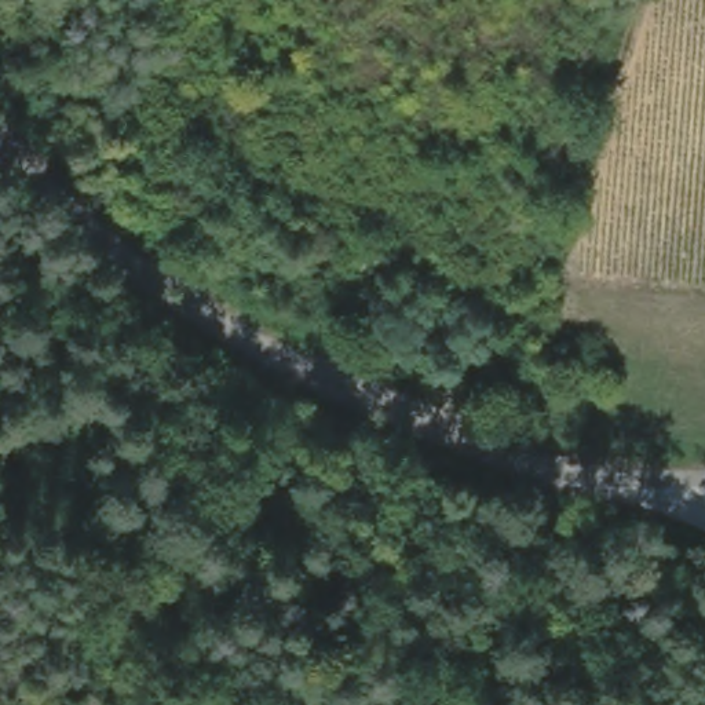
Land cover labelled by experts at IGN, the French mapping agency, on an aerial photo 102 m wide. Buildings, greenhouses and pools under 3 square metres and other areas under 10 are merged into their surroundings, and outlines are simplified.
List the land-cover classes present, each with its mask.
<instances>
[{"label":"coniferous trees","instance_id":"1","mask_svg":"<svg viewBox=\"0 0 705 705\"><path fill-rule=\"evenodd\" d=\"M66 6V14L63 22L55 28V39L61 44L58 74L66 77L72 94H58L55 102L41 113L52 127L47 135V140L52 143H69L85 132L94 135L96 149L69 162L74 185L88 196H102L107 215L127 229L138 212L124 204V193H138L140 182L135 176H121L116 168L138 149L132 140L140 132V121L129 107L140 102V88L149 85L154 74L151 58L160 50L171 47L162 33L165 0H61ZM30 154L22 143H14L6 135V105L0 96V705H476L468 688H460L457 694L446 691L454 675L449 664H438V675L432 677H421L419 672H399L397 661L408 653L405 644L416 639V631L399 628L394 631V636L386 631L375 636L361 633L350 611H355V600H366L369 595H380L383 600H388L399 617L408 611L421 614L430 636H454L457 650H487V636L493 628H498V617L523 609L548 614L554 636L576 633L578 653L584 661L581 666L551 669L545 658L523 655H512L496 664L498 677L509 680L512 705H705V540L677 526L655 523L647 515H636L633 509H625L611 501H595L587 496H554L548 485L532 482L526 476L501 474L485 457H441L430 446L410 438L402 424L394 421L391 413L364 410L355 416H344L325 399L300 402L295 394L275 388L270 380L251 372L245 364L229 361L218 372L215 361H209V355L196 341H190L165 319L151 330H135L132 311L127 300L118 295L127 281V270L113 267L105 259L96 264L94 256H88V237L83 234V226L72 223L74 198L69 187H61L50 171H22V160H28ZM295 435L311 460L303 465L297 460L284 463V468L292 476L289 482L275 487L273 496L262 498L256 520L251 526L223 529V523L231 518L226 512L223 498L234 496V487L245 479L248 471L259 465V457L264 452L275 449L284 441H292ZM325 501L341 520H353V534L330 543L311 523H306L303 515L308 509H319ZM77 556H85V562L94 570H113L118 565L127 573L129 584L171 576L182 587L173 603H162L149 617L140 611L129 617L121 647L110 658L113 669L96 672L94 661L85 658L83 644L66 639V622H77L85 617L74 600L77 576L69 565ZM262 223L267 231L275 234L278 245L284 248L270 273L295 281L297 275H311L319 262H330L333 251L328 248V242H311V231H317L314 220L295 218V212H289L286 220L267 215Z\"/></svg>","mask_w":705,"mask_h":705},{"label":"deciduous trees","instance_id":"2","mask_svg":"<svg viewBox=\"0 0 705 705\"><path fill-rule=\"evenodd\" d=\"M66 14V6L61 0H0V69L8 77V83L25 94L30 113H41L55 102L58 94H72L66 77L58 74L61 44L55 39V28L63 22ZM650 0H165L162 33L171 47L160 50L151 58L154 74L149 85L140 88V102L129 107L140 121V132L132 140L138 149L116 168L121 176H135L140 182L138 193H124V204L138 212L127 229L143 234L146 245L157 253L162 273L179 278L193 289H207L218 295L229 311L253 317L259 322V330L270 333L273 339H306L314 333L325 353L336 361V366L353 375L355 380H388L405 372L419 375L427 386H443V402H452V408L465 413L482 449H501L509 443H532L537 438H545L551 419H567L570 410H576L584 402H592L606 413L625 405L622 391L617 386L620 380H625V358L611 341L609 328L603 322H573L562 317L567 278L565 262L570 248L584 231L592 229L595 168L614 129V91L622 80V61L631 52L642 8ZM289 212H295V218L314 220L317 231H311V242H328V248L333 251L330 262H319L311 275H297L295 281L270 273L284 248L278 245L275 234L267 231L262 223L267 215L286 220ZM297 460L303 465L311 460L295 435L292 441H284L275 449L264 452L259 457V465L248 471L245 479L234 487V496L223 498L226 512L231 518L223 523V529L251 526L256 520L262 498L273 496L275 487L289 482L292 476L284 468V463ZM306 523H311L330 543L353 534V520H341L325 501L319 509H308L303 515ZM69 565L77 576L74 600L85 617L77 622H66V639L83 644L85 658L94 661L96 672L113 669L110 658L121 647L129 617L140 611L149 617L162 603H173L182 587L171 576L129 584L127 573L118 565L113 570H94L85 562V556H77ZM361 633L375 636L386 631L394 636V631L399 628L416 631V639L405 644L408 653L397 661L399 672H419L421 677H432L438 675V664H449L454 675L446 691L457 694L460 688H468L476 705H512L509 680L498 677L496 664L512 655H523L545 658L551 669L581 666L584 661L578 653L576 633L554 636L548 614L523 609L498 617V628H493L487 636V650H457L454 636H430L421 614L408 611L399 617L388 600H383L380 595H369L366 600H355V611H350Z\"/></svg>","mask_w":705,"mask_h":705},{"label":"impervious surface","instance_id":"3","mask_svg":"<svg viewBox=\"0 0 705 705\"><path fill-rule=\"evenodd\" d=\"M0 96L6 105V135L14 143H22L30 154L28 160H22V171H50L61 187H69L74 198L72 223L83 226V234L88 237V256H94L96 264L105 259L113 267L127 270V281L118 295L127 300L132 311L135 330H151L165 319L190 341H196L209 355V361H215L218 372L229 361L245 364L251 372L270 380L275 388L295 394L300 402L325 399L344 416H355L364 410L391 413L394 421L402 424L410 438L430 446L441 457H485L501 474L526 476L532 482L548 485L554 496H587L595 501H611L625 509H633L636 515H647L655 523L677 526L705 540V452L699 457L702 465L697 468L666 465L664 471H658L642 465V471L625 474L611 465L595 471L592 465H573L565 457H559V446L554 438H537L532 443H509L501 449H482L465 413L452 408V402H443V386H427L419 375L405 372L388 380H355L353 375L336 366V361L325 353L314 333L306 339H273L270 333L259 330V322L253 317L229 311L218 295L207 289H193L179 278L162 273L157 253L146 245L143 234L127 229L107 215L102 196H88L74 185L69 162L96 149L94 135L85 132L69 143H52L47 140V135L52 127L41 113H30L25 94L8 83V77L0 69Z\"/></svg>","mask_w":705,"mask_h":705},{"label":"vineyard","instance_id":"4","mask_svg":"<svg viewBox=\"0 0 705 705\"><path fill-rule=\"evenodd\" d=\"M622 80L614 91V129L595 168L592 229L584 231L570 248L565 262L567 278L625 286L642 284V278L650 275V286H705V0H650L642 8L631 52L622 61Z\"/></svg>","mask_w":705,"mask_h":705},{"label":"herbaceous vegetation","instance_id":"5","mask_svg":"<svg viewBox=\"0 0 705 705\"><path fill-rule=\"evenodd\" d=\"M650 275L642 278V284L625 286L567 278L562 317L573 322H603L609 328L611 341L625 358V380H620L617 386L622 391L625 405L606 413L592 402H584L576 410H570L567 419H551L545 438H554L559 446V457H565L573 465H592L595 471L611 465L625 474L642 471V465L658 471H664L666 465L697 468L702 465L699 457L705 452V286H650Z\"/></svg>","mask_w":705,"mask_h":705}]
</instances>
